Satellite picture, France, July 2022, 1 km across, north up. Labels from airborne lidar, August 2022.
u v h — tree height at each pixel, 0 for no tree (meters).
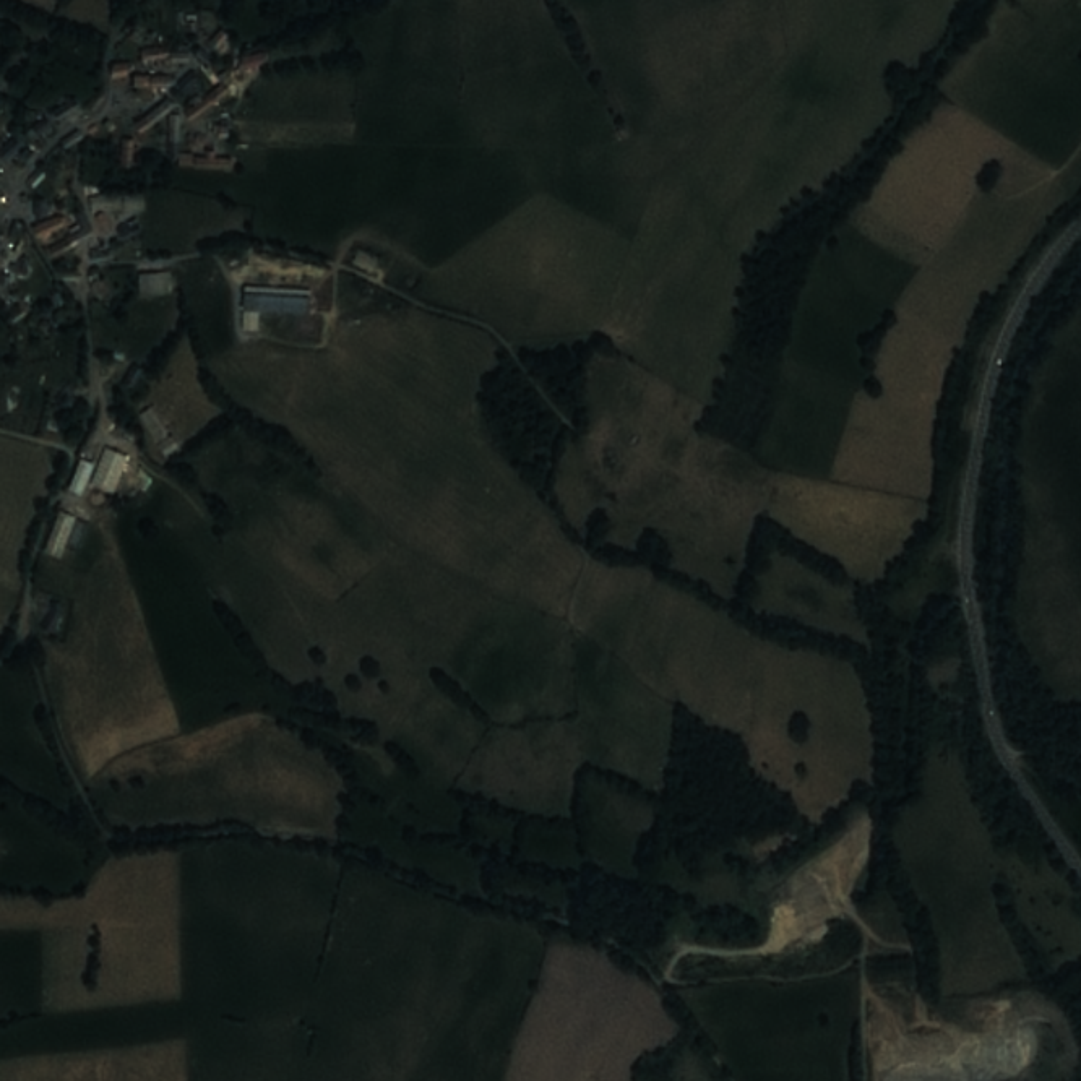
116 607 0
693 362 0
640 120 0
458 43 0
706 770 17
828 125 0
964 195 0
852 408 0
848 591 0
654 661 0
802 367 0
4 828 0
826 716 0
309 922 0
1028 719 14
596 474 0
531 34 0
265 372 0
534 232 0
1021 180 0
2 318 11
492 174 0
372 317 0
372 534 0
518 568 0
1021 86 0
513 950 0
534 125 0
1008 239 0
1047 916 0
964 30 20
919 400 0
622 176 0
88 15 0
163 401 0
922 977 15
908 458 0
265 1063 0
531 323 0
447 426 0
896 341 0
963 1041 0
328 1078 0
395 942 0
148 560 0
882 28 0
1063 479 0
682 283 0
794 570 0
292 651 0
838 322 0
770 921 0
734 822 14
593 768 13
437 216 0
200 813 0
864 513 0
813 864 0
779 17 0
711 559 0
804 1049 0
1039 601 0
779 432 0
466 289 0
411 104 0
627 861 0
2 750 0
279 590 0
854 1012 0
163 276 0
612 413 0
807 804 0
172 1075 0
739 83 0
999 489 13
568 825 9
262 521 0
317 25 20
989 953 0
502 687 0
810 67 0
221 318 0
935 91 16
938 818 0
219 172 0
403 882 6
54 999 0
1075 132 0
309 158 0
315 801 0
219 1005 0
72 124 0
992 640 15
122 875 0
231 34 15
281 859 0
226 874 0
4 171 0
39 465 0
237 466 0
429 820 0
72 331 7
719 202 0
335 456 0
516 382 7
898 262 0
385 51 0
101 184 7
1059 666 0
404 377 0
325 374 0
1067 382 0
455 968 0
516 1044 0
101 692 0
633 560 12
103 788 0
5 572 0
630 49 0
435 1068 0
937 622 19
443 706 0
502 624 0
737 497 0
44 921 0
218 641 0
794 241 18
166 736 0
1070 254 6
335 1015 0
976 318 11
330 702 17
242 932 0
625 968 14
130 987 0
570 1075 0
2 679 0
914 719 7
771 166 0
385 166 0
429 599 0
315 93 0
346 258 0
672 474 0
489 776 0
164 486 0
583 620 0
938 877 0
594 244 0
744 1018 0
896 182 0
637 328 0
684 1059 0
